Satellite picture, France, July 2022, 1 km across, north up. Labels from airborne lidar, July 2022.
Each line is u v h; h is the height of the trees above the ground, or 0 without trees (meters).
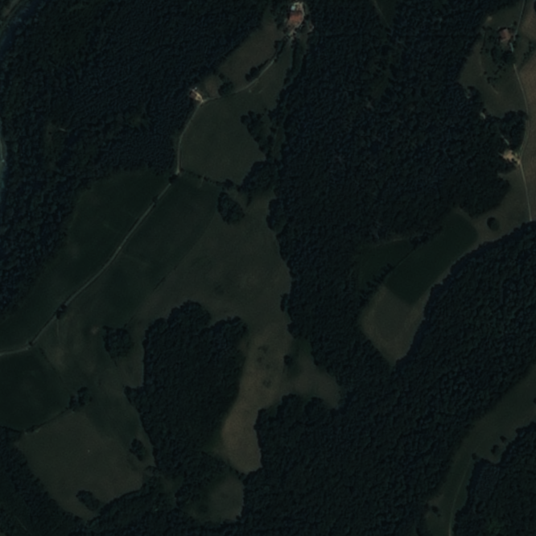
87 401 14
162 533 18
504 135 23
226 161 0
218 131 0
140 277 0
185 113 19
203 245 0
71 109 21
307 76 18
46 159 16
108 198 0
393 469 20
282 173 16
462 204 12
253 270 0
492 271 31
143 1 19
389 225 25
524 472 26
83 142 33
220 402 20
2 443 24
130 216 0
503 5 13
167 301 0
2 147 0
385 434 33
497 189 24
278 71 0
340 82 22
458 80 22
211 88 0
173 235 0
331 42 21
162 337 22
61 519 7
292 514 25
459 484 0
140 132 23
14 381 0
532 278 32
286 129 14
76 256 0
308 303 20
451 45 19
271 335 0
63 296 0
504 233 0
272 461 20
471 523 26
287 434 26
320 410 19
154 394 23
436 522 0
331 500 23
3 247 31
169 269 0
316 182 22
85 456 0
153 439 21
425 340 28
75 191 27
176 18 18
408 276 0
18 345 0
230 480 0
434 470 19
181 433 20
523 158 0
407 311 0
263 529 18
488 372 24
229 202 24
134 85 23
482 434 0
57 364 0
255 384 0
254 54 0
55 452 0
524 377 19
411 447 22
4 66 27
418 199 25
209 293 0
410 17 27
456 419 20
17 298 34
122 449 0
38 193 18
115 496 0
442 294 29
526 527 26
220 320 0
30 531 6
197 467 24
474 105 25
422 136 26
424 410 23
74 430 0
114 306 0
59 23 11
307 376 0
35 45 22
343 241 27
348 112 27
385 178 18
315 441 20
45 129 13
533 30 0
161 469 20
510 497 22
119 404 0
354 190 24
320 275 26
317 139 22
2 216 17
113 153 24
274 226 29
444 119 23
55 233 30
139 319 0
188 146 0
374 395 18
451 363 31
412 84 30
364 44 20
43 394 0
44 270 19
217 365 27
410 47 25
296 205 31
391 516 19
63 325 0
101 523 21
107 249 0
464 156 22
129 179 0
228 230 0
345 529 29
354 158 27
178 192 0
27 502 22
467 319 23
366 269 0
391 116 29
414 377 30
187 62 19
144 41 21
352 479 30
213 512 0
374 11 24
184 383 25
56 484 0
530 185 0
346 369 23
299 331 22
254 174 17
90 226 0
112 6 18
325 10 19
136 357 0
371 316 0
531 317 29
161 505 13
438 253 0
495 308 23
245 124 13
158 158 25
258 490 23
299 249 28
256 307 0
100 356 0
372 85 17
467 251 0
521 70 0
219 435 0
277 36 0
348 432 23
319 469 26
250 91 0
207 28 20
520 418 0
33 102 29
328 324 18
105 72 24
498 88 0
